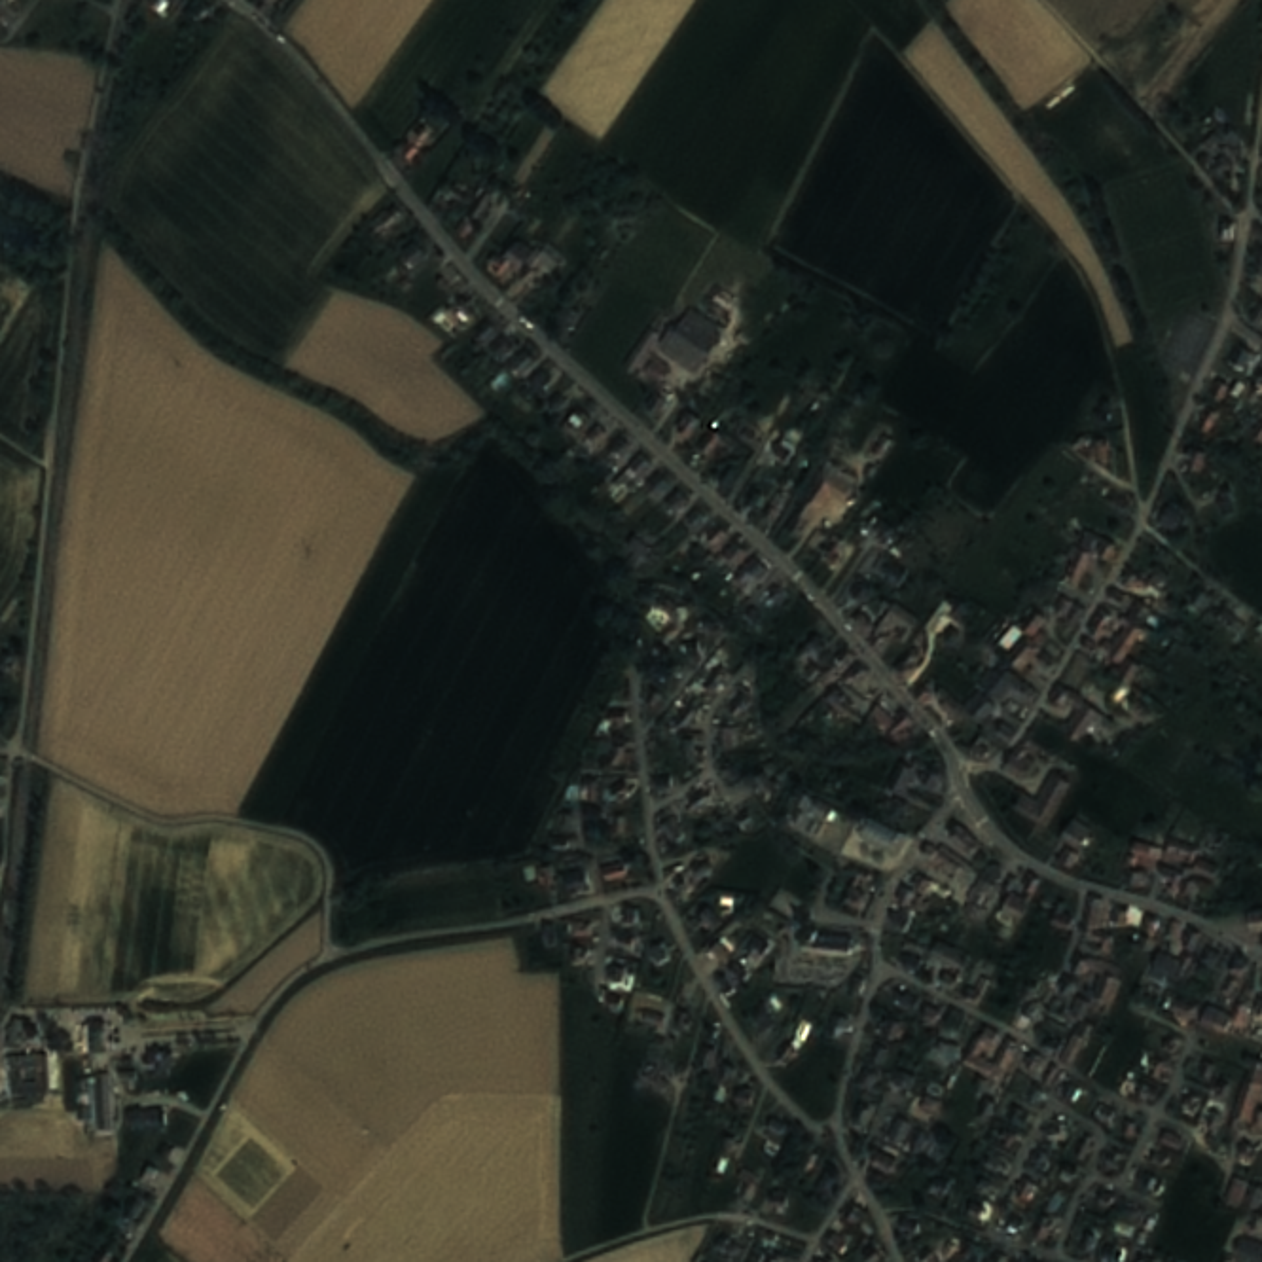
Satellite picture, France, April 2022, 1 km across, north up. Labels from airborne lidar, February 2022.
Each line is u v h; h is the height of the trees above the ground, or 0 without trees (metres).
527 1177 0
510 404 0
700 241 0
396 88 0
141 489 0
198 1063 0
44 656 0
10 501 0
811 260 0
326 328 0
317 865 0
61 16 0
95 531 0
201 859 0
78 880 0
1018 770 0
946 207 0
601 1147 0
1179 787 0
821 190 0
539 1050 0
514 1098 0
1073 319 0
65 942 0
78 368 0
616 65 0
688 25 0
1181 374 0
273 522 0
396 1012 0
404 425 0
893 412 0
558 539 0
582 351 0
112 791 0
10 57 0
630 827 0
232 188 0
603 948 0
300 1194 0
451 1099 0
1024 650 0
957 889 0
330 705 0
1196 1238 0
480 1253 0
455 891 0
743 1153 0
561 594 0
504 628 0
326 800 0
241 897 0
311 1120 0
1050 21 0
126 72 6
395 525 0
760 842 0
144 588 0
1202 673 0
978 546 0
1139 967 0
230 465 0
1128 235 0
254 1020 0
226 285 0
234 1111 0
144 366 0
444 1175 0
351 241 6
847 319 10
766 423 0
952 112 0
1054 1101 0
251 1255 0
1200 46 0
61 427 0
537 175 0
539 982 0
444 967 0
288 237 0
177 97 0
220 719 0
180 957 0
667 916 0
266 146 0
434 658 0
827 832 0
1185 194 0
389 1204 0
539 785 0
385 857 0
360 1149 0
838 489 0
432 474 0
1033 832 0
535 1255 0
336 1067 0
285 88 0
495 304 0
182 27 0
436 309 0
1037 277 0
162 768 0
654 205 9
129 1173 0
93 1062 0
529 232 0
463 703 0
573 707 0
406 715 0
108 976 0
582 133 0
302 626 0
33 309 0
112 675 0
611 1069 0
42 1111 0
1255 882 0
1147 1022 0
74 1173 0
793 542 0
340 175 0
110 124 6
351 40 0
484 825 0
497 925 0
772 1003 0
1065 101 0
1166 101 11
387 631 0
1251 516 0
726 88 0
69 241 17
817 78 0
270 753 0
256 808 0
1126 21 0
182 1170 0
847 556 0
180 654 0
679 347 0
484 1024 0
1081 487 0
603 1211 0
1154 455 0
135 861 0
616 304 0
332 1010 0
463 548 0
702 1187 0
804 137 0
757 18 0
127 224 0
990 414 0
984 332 0
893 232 0
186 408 0
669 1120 0
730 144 0
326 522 0
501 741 0
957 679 0
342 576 0
